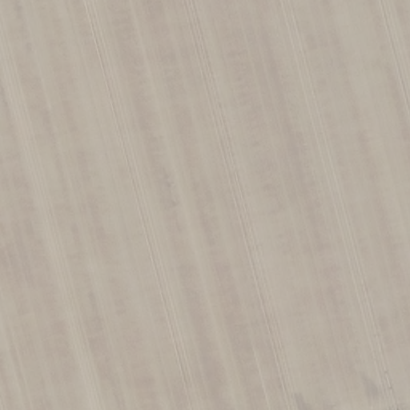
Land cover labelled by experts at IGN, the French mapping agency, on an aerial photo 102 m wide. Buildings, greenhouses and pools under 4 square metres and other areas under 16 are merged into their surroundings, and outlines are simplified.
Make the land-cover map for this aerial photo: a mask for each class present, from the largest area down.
<instances>
[{"label":"agricultural land","instance_id":"1","mask_svg":"<svg viewBox=\"0 0 410 410\"><path fill-rule=\"evenodd\" d=\"M0 410H410V0H0Z\"/></svg>","mask_w":410,"mask_h":410}]
</instances>
